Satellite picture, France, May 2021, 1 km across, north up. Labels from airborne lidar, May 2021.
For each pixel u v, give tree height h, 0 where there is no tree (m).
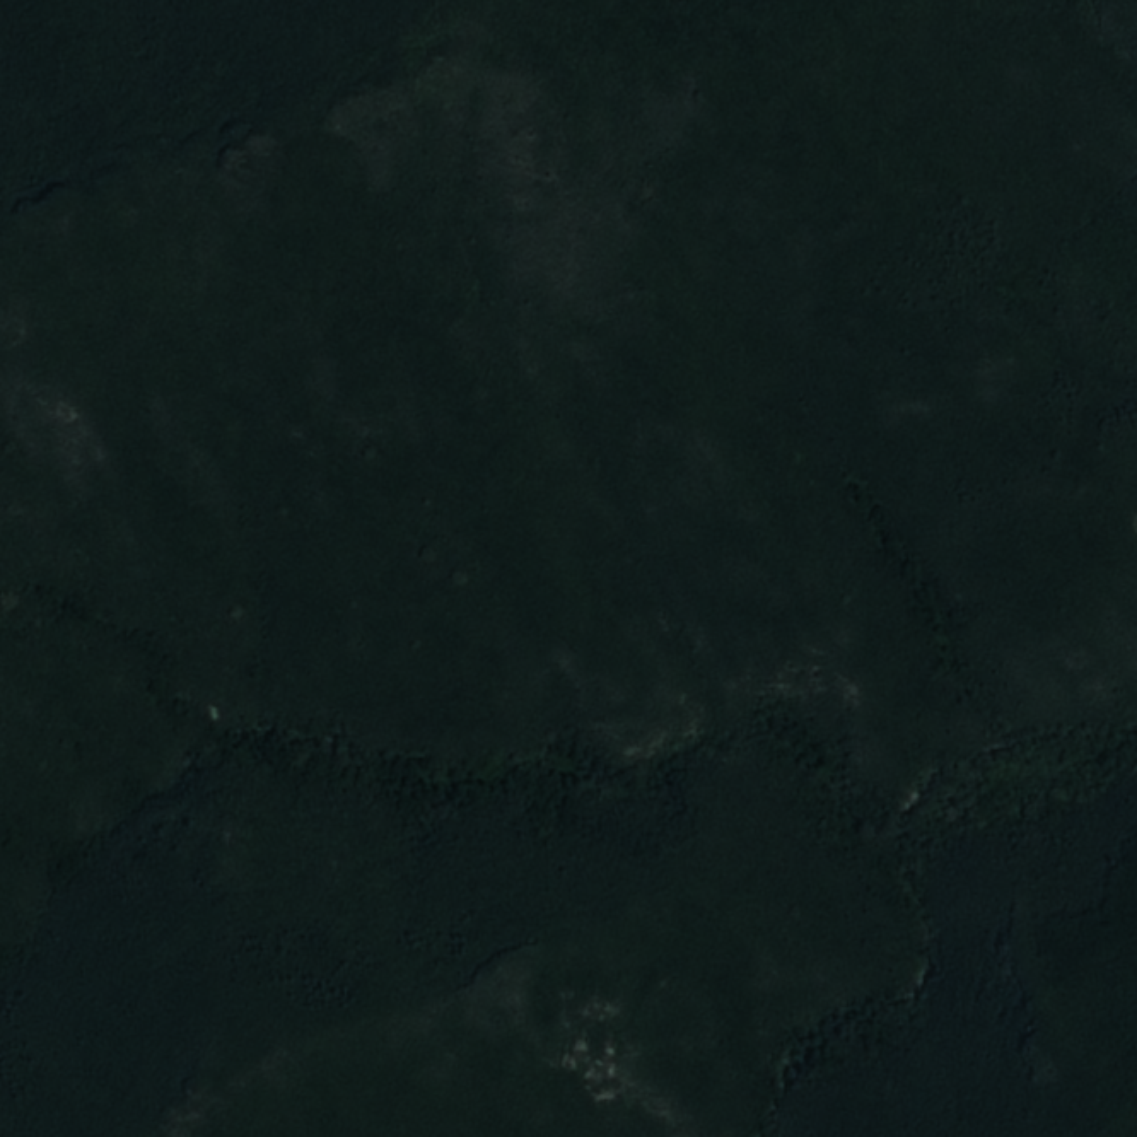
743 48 8
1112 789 8
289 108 6
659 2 8
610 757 12
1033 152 6
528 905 7
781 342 7
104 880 8
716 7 9
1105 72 7
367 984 8
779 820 8
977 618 6
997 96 8
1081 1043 6
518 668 6
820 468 6
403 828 10
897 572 9
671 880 6
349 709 6
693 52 7
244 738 11
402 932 9
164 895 7
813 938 7
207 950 6
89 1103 6
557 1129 6
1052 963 12
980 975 6
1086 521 7
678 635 9
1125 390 7
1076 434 6
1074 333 7
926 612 11
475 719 5
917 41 6
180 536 6
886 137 7
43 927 6
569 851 7
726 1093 6
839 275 5
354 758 16
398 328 6
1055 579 6
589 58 6
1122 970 10
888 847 8
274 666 6
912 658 6
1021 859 6
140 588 7
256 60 6
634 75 6
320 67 6
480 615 6
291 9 6
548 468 6
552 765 7
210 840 8
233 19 6
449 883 7
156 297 6
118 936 6
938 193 8
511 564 5
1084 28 7
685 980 6
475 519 5
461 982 6
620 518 8
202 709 9
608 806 8
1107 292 6
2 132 6
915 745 9
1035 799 13
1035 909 5
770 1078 11
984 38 5
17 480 6
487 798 10
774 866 8
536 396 6
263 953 12
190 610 6
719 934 6
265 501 6
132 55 7
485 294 10
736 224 5
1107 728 14
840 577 7
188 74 6
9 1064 6
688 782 12
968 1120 7
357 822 8
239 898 5
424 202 6
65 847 11
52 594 17
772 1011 7
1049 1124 7
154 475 6
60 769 7
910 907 19
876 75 5
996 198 6
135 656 6
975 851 7
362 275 6
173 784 9
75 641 8
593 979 5
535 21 6
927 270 6
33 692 6
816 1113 6
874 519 18
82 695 6
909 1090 7
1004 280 9
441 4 7
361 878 8
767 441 8
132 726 6
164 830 14
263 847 6
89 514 5
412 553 6
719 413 6
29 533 7
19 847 11
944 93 6
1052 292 6
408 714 6
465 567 6
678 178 7
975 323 7
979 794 9
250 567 6
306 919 7
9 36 5
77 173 6
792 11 7
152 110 7
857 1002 14
